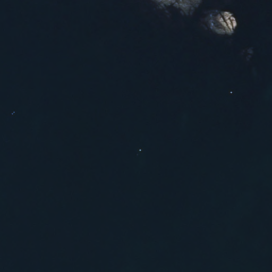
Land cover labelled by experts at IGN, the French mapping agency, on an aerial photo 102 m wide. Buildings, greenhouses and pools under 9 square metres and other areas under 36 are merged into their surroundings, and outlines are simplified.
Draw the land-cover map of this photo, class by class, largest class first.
<instances>
[{"label":"water","instance_id":"1","mask_svg":"<svg viewBox=\"0 0 272 272\"><path fill-rule=\"evenodd\" d=\"M224 12L231 13L236 19V27L232 33H220L210 29L209 22L212 17ZM0 272H272V0H0Z\"/></svg>","mask_w":272,"mask_h":272},{"label":"bare soil","instance_id":"2","mask_svg":"<svg viewBox=\"0 0 272 272\"><path fill-rule=\"evenodd\" d=\"M210 29L220 33H232L236 27V19L231 13L224 12L212 17L209 22Z\"/></svg>","mask_w":272,"mask_h":272}]
</instances>
